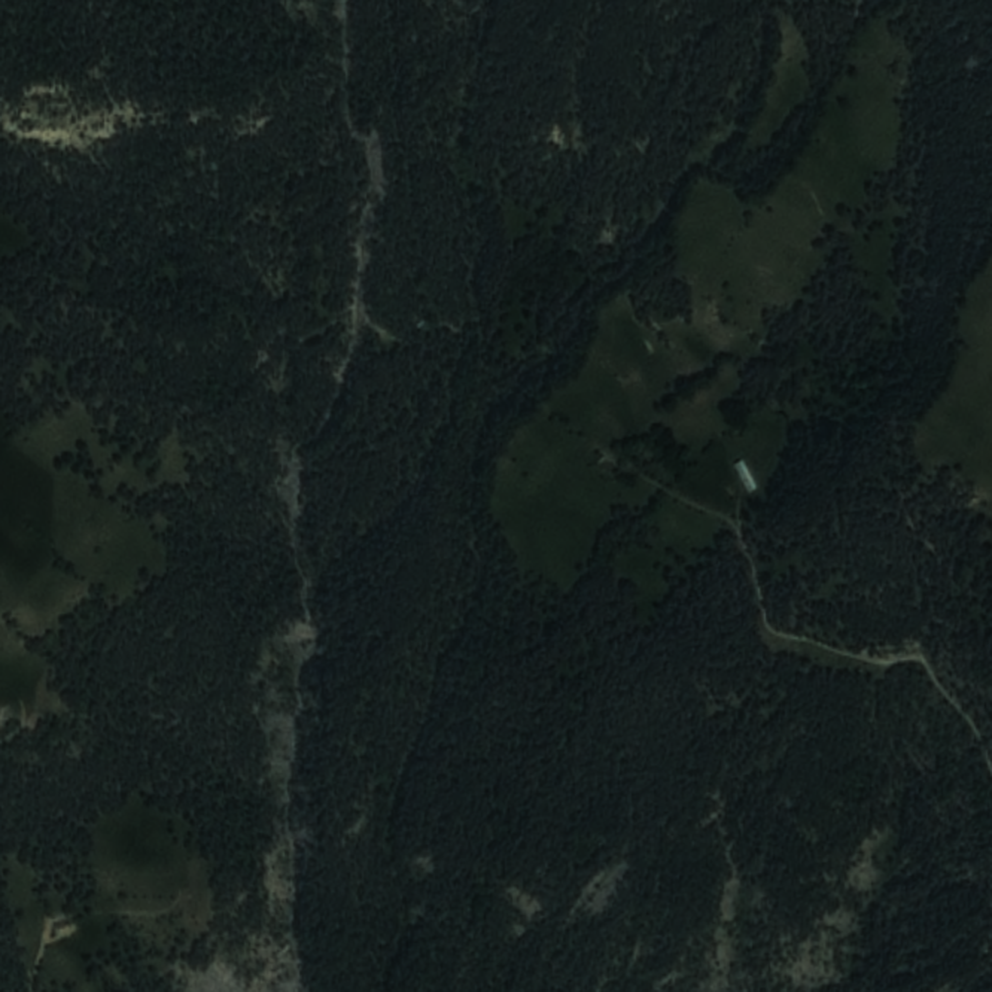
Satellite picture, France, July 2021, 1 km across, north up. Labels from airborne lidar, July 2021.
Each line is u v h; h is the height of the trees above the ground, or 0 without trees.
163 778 11
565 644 21
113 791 11
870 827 17
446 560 14
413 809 17
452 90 9
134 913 0
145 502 10
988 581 11
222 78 12
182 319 13
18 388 9
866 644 13
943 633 12
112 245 11
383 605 18
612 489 0
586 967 8
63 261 17
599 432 0
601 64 12
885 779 20
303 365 10
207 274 12
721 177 18
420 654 7
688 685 11
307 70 13
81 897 13
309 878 17
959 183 14
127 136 11
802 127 19
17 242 0
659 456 11
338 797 11
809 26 16
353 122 6
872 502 15
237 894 11
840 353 15
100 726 10
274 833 9
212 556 18
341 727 16
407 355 16
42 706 0
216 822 13
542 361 15
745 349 0
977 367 0
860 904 13
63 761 9
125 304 12
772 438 0
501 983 14
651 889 12
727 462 0
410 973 21
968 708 12
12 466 0
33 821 12
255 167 14
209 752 13
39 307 13
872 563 11
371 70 10
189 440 11
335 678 20
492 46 10
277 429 10
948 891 12
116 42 15
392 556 18
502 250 14
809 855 11
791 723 8
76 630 16
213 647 11
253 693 10
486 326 13
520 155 16
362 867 12
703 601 18
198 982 0
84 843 10
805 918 10
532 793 13
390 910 16
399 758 18
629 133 15
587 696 18
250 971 6
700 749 15
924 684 11
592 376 0
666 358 0
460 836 12
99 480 8
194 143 14
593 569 12
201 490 14
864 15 14
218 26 15
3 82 10
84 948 0
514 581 15
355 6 10
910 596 13
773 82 14
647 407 0
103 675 19
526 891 8
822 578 7
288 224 7
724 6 16
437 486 15
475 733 18
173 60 11
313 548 9
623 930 7
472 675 16
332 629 16
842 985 6
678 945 6
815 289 11
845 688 17
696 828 12
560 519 0
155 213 11
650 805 13
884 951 11
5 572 0
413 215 12
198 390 9
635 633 12
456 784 14
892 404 14
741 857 11
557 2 13
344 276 11
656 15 9
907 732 14
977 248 9
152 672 13
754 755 9
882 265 0
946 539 17
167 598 8
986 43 13
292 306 18
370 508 15
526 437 0
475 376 19
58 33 17
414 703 19
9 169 13
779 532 11
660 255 23
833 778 15
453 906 16
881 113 0
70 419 0
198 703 9
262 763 12
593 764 11
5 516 0
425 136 12
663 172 15
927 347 21
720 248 0
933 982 7
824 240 13
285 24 16
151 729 7
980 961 8
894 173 13
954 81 14
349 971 18
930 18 10
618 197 16
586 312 21
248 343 10
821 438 25
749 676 12
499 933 12
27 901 0
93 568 0
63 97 6
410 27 13
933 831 10
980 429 0
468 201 7
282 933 12
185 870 0
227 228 18
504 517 0
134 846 0
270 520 8
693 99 13
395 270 11
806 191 0
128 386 15
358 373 16
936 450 0
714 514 0
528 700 16
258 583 15
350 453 13
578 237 12
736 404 16
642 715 10
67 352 15
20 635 9
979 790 11
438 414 16
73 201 10
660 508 12
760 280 0
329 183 16
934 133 16
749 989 6
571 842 15
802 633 10
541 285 17
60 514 0
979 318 0
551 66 11
